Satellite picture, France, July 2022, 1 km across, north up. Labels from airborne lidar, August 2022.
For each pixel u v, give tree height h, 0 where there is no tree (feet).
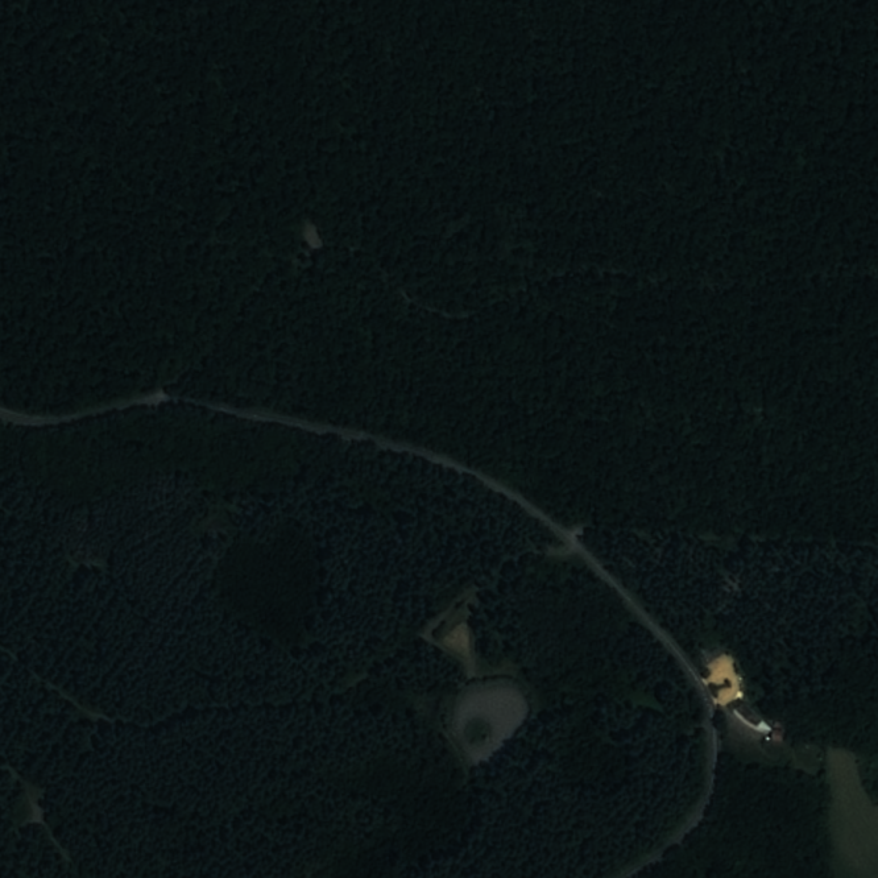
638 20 63
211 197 67
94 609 84
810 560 101
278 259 65
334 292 56
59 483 66
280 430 61
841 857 0
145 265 70
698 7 58
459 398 61
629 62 64
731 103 57
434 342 48
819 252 71
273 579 31
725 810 58
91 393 54
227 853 86
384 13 72
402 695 26
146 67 64
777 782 48
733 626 84
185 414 77
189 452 65
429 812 38
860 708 45
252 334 73
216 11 69
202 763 111
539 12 68
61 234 65
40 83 69
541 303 67
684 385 53
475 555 91
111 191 66
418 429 49
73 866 41
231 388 61
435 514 27
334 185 74
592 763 31
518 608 70
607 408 66
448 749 24
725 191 72
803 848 58
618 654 68
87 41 68
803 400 70
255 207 83
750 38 72
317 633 89
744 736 0
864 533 69
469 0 66
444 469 46
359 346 69
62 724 84
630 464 70
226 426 78
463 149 61
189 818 57
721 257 59
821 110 64
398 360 63
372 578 111
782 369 68
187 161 33
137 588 93
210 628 114
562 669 55
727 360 55
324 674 90
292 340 70
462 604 21
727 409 56
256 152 73
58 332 51
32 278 65
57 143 73
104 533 82
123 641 95
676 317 61
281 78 64
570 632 63
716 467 57
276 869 109
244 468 63
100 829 82
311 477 87
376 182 60
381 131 63
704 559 96
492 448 71
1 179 22
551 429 61
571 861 98
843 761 0
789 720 48
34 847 71
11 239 56
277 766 80
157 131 68
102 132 71
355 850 41
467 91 72
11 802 77
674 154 69
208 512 75
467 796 25
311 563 32
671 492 71
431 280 52
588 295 55
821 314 72
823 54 68
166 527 70
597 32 69
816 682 83
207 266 59
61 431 56
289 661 97
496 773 59
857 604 112
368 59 70
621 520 30
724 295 57
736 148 66
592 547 68
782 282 41
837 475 64
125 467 78
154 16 57
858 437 61
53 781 90
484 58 73
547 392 51
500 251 78
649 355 54
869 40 71
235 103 64
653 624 0
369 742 105
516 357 63
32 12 63
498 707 0
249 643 99
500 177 72
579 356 82
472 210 64
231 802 107
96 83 61
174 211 58
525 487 43
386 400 56
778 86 64
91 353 59
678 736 22
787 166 71
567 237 57
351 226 50
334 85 65
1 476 48
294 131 57
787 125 78
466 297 55
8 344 60
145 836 96
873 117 72
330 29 67
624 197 59
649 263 60
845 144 55
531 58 57
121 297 72
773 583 99
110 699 59
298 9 68
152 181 60
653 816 101
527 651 82
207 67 69
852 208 60
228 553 31
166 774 113
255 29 47
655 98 72
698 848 51
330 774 34
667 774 103
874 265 65
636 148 59
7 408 54
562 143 58
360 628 111
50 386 53
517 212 80
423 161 70
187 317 63
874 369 71
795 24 67
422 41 62
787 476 54
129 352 67
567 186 44
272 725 90
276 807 46
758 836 64
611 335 69
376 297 39
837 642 52
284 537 32
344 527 95
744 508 66
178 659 101
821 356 68
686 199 59
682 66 77
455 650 0
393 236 55
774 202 64
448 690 45
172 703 105
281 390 79
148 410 51
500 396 46
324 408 76
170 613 98
